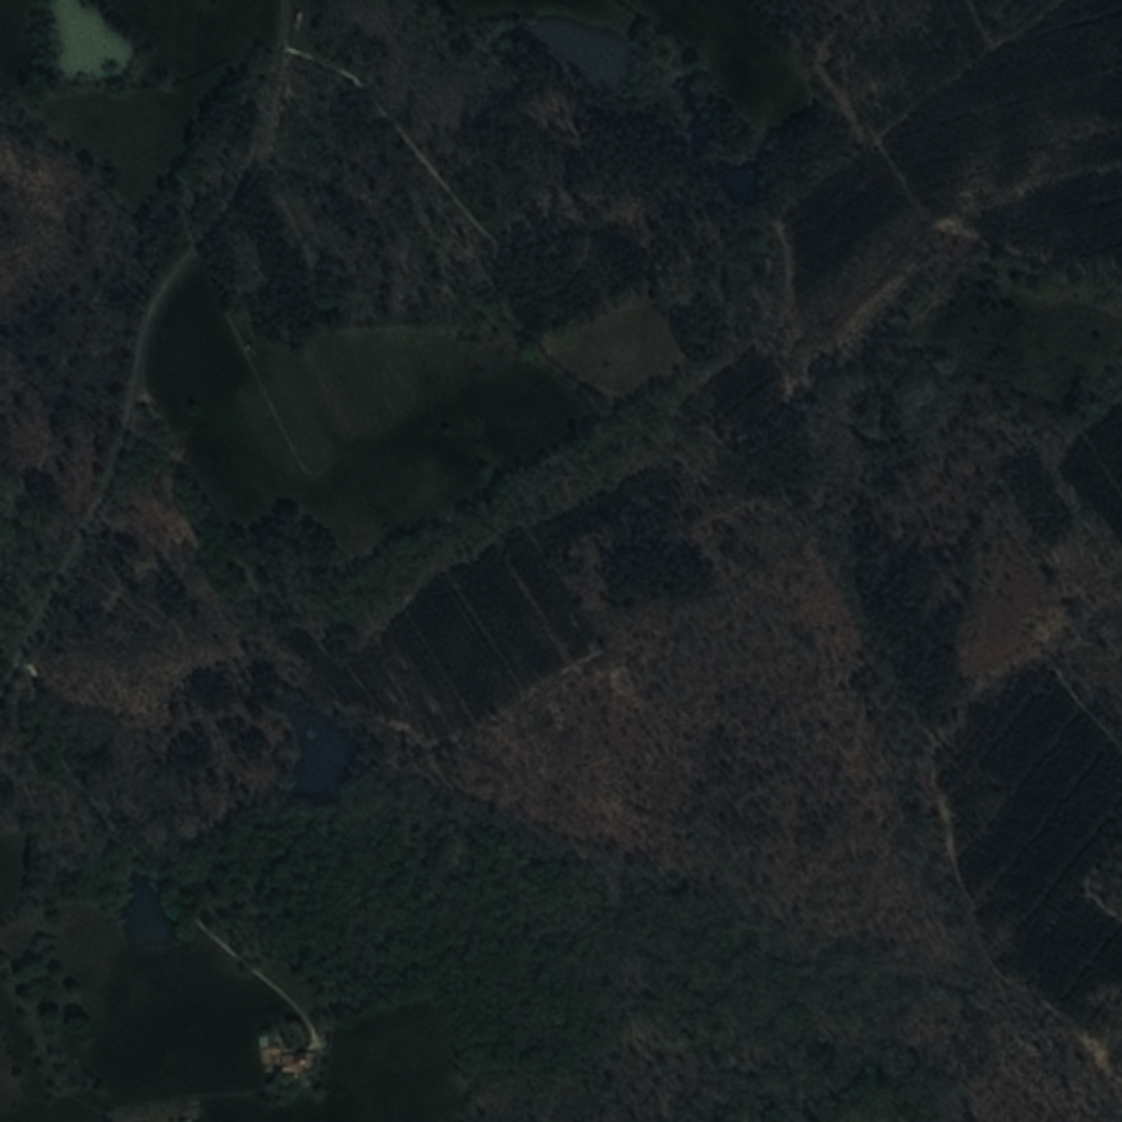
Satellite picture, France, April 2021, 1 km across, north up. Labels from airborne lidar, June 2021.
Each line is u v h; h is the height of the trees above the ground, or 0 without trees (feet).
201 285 0
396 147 21
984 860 24
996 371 20
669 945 60
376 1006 55
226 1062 0
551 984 56
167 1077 0
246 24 0
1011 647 0
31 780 52
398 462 0
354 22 45
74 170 30
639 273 33
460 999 65
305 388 0
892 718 38
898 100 21
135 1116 24
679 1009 48
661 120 33
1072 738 26
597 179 82
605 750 32
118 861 47
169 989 0
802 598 18
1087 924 24
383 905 54
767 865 31
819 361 0
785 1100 38
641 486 25
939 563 51
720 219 79
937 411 32
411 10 49
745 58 0
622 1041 33
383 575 58
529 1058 38
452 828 67
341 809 63
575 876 75
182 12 0
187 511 49
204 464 0
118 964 0
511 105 39
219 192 50
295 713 0
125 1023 0
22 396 24
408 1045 0
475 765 52
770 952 64
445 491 0
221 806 37
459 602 35
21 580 56
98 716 33
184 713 39
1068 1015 24
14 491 66
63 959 0
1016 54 25
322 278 48
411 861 60
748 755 25
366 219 44
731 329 87
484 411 0
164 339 0
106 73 28
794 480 93
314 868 72
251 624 51
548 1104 39
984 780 22
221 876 69
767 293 50
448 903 62
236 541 53
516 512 55
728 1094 45
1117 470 29
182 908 59
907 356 39
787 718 36
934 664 67
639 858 40
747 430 28
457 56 69
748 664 37
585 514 32
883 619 78
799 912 43
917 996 67
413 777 38
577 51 0
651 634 21
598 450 61
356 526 0
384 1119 0
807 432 95
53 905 48
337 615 55
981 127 24
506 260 49
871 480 28
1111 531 33
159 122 0
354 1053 0
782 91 0
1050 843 28
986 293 29
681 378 48
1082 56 24
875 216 25
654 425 70
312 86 35
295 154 59
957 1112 49
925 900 49
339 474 0
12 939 0
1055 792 29
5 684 34
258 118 58
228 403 0
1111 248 32
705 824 44
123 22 19
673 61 62
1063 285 23
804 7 52
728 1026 70
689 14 0
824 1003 72
